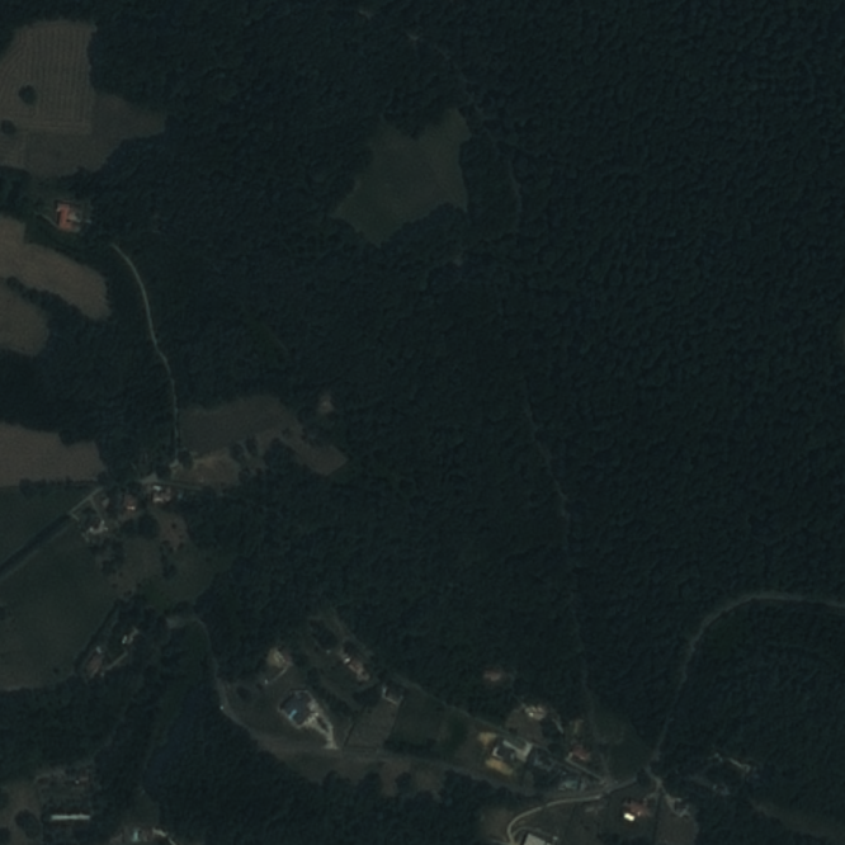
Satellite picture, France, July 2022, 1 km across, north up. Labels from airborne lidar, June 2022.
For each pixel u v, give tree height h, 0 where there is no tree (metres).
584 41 26
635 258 28
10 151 0
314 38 27
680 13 26
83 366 27
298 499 26
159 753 0
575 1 27
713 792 13
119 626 11
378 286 28
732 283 26
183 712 0
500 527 34
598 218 31
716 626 0
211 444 0
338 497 23
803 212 25
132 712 19
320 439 14
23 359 8
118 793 13
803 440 32
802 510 26
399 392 29
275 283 21
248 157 23
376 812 24
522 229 22
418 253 20
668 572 22
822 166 27
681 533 26
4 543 0
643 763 0
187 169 24
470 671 9
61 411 10
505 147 22
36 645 0
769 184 23
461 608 26
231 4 26
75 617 0
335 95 26
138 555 0
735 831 24
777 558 25
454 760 0
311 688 12
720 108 24
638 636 21
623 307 28
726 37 30
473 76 29
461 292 39
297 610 21
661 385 31
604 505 30
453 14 29
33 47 0
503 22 26
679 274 26
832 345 20
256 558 29
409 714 0
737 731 24
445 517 26
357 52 23
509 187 26
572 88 24
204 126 29
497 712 6
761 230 29
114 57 27
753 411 31
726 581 25
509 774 0
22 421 8
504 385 30
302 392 19
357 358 28
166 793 25
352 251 22
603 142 27
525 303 28
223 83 35
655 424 29
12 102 0
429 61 26
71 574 0
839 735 26
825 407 29
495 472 36
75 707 21
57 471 0
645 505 24
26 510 0
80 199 11
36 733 8
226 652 14
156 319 7
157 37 32
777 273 27
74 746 11
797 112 28
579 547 21
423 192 0
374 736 0
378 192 0
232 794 20
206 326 25
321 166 26
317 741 0
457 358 32
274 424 0
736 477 34
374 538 15
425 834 26
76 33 0
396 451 24
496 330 32
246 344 21
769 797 25
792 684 19
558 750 14
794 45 25
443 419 27
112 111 0
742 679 16
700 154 20
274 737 0
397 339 27
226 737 25
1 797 17
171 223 18
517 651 22
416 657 19
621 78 22
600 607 25
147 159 21
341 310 29
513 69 29
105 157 0
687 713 17
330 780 14
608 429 29
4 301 0
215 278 17
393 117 19
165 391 17
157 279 9
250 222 19
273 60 31
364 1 24
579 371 27
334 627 0
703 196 23
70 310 20
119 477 23
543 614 29
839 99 26
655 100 27
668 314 21
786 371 29
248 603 23
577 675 21
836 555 31
